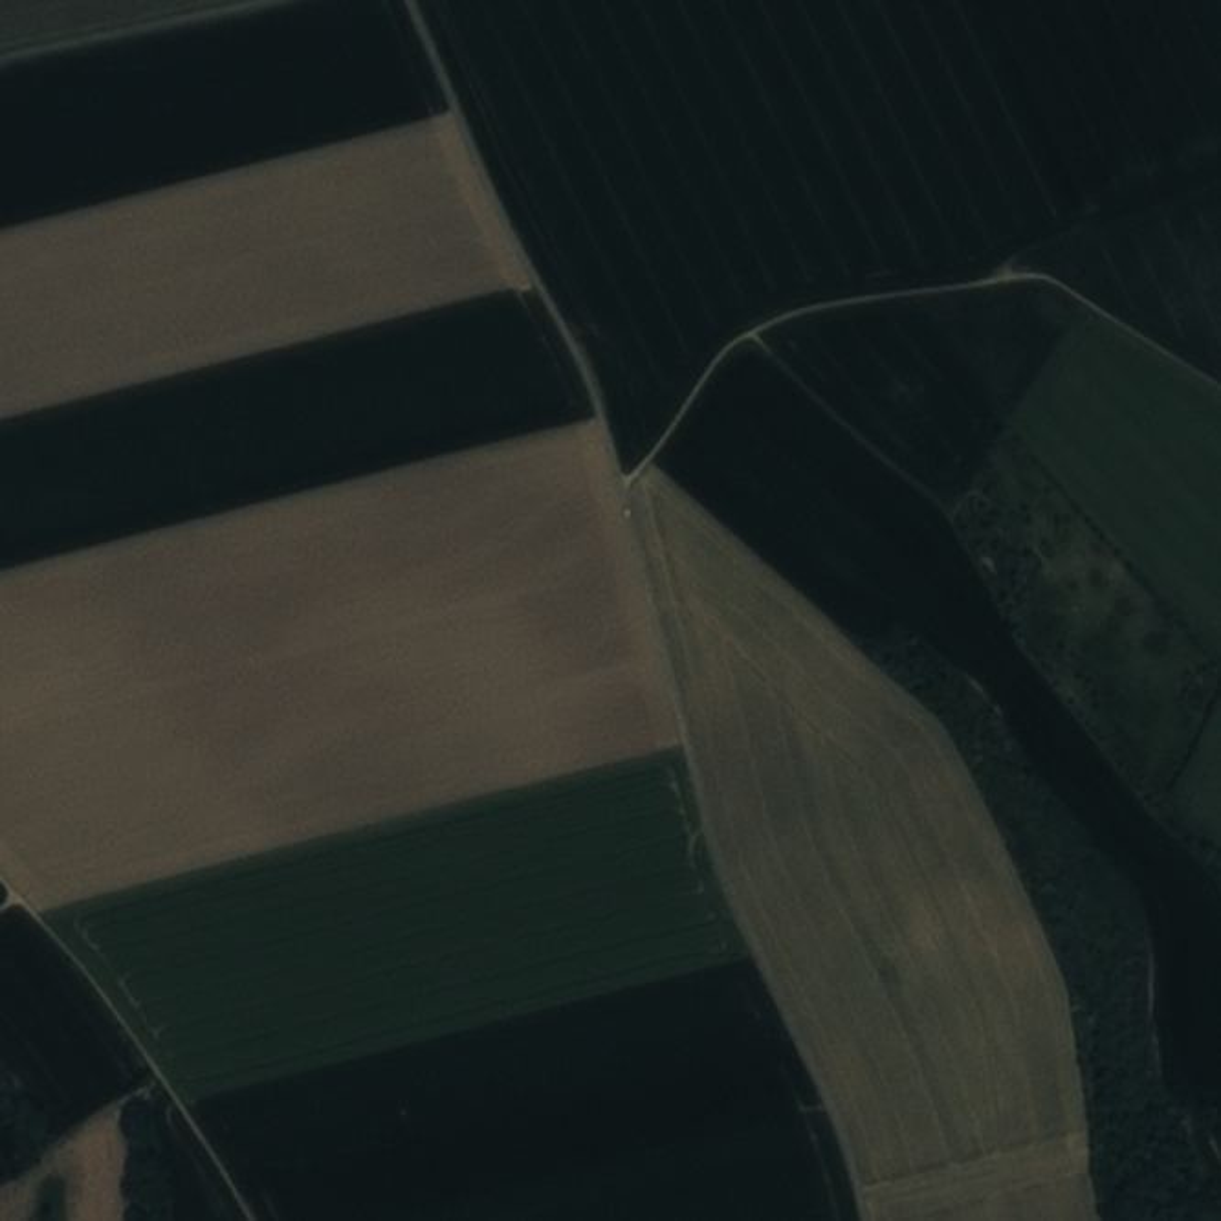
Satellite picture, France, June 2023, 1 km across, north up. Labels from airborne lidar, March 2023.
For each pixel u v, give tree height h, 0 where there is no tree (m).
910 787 0
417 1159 0
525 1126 0
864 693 0
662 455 0
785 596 0
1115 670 0
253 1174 0
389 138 0
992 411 0
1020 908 0
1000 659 0
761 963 0
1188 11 0
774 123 0
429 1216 0
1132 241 0
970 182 0
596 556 0
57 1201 0
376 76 0
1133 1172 20
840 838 0
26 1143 19
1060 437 0
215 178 0
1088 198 0
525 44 0
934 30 0
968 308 0
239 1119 0
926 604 0
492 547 0
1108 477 0
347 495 0
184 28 0
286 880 0
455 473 0
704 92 0
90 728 0
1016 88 0
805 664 0
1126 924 6
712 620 0
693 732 0
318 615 0
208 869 0
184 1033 0
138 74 0
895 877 0
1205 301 0
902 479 0
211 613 0
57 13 0
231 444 0
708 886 0
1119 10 0
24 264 0
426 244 0
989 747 7
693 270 0
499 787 0
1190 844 8
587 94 0
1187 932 0
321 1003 0
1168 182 0
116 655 0
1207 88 0
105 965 0
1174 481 0
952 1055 0
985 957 0
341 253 0
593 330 0
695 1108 0
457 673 0
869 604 0
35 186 0
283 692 0
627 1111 0
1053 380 0
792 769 0
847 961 0
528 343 0
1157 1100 6
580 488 0
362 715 0
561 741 0
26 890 0
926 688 12
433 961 0
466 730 0
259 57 0
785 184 0
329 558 0
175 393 0
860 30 0
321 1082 0
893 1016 0
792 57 0
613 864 0
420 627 0
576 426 0
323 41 0
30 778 0
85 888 0
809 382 0
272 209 0
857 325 0
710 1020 0
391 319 0
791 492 0
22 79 0
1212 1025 0
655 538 0
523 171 0
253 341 0
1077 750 0
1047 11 0
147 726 0
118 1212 0
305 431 0
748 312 0
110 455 0
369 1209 0
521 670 0
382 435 0
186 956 0
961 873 0
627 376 0
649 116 0
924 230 0
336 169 0
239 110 0
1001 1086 0
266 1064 0
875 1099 0
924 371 0
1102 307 0
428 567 0
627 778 0
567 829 0
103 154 0
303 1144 0
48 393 0
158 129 0
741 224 0
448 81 0
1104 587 0
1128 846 0
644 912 0
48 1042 0
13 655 0
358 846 0
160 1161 15
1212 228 0
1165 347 0
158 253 0
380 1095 0
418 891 0
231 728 0
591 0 0
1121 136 0
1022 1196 0
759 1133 0
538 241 0
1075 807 0
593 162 0
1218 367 0
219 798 0
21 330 0
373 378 0
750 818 0
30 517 0
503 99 0
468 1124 0
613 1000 0
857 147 0
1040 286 0
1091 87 0
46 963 0
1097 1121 11
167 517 0
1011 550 6
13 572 0
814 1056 0
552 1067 0
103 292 0
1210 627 0
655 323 0
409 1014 0
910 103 0
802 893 0
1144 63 0
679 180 0
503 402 0
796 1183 0
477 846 0
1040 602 0
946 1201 0
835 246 0
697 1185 0
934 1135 0
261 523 0
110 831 0
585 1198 0
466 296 0
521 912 0
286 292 0
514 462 0
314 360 0
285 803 0
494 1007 0
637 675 0
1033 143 0
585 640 0
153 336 0
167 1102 0
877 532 0
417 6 0
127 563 0
